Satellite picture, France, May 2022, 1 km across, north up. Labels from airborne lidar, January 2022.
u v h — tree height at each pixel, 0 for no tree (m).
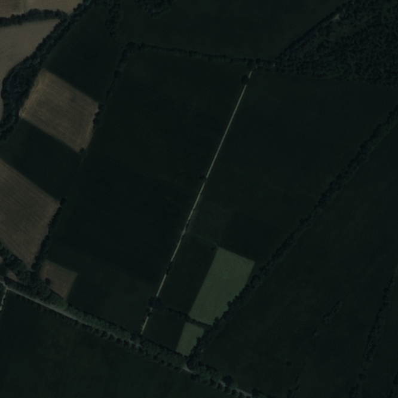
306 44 26
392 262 0
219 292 0
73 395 0
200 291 0
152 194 0
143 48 12
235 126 0
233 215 0
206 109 0
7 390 0
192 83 0
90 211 0
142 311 0
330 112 0
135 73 0
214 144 0
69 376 0
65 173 0
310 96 0
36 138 0
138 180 0
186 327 0
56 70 0
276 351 0
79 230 0
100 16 0
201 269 0
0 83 0
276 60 11
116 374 0
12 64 0
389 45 25
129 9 0
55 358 0
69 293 0
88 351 0
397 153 0
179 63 0
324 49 26
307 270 0
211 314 0
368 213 0
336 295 0
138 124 0
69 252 0
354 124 0
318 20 0
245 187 0
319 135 0
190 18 0
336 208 0
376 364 0
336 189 14
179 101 0
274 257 15
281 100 0
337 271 0
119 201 0
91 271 0
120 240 0
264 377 0
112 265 0
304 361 0
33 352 0
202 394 0
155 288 0
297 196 0
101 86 0
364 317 0
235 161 0
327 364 0
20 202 0
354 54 25
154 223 0
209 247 0
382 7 29
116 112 0
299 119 0
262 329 0
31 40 0
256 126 0
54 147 0
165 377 0
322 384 0
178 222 0
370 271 0
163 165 0
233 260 0
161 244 0
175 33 0
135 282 0
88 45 0
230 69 0
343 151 0
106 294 0
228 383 27
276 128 0
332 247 0
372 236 0
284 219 0
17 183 0
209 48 0
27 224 0
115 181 0
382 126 13
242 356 0
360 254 0
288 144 0
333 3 0
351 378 0
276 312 0
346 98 0
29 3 0
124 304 0
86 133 0
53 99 0
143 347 24
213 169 0
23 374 0
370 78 9
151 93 0
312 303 0
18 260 24
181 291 0
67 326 0
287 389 0
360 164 14
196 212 0
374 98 0
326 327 0
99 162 0
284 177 0
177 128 0
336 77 9
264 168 0
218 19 0
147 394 0
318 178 0
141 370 0
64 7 0
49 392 0
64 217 0
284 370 0
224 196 0
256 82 0
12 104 13
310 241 0
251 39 0
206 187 0
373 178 0
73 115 0
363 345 0
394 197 0
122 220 0
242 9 0
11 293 0
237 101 0
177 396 0
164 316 0
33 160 0
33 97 0
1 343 0
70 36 0
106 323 19
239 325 0
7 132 11
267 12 0
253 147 0
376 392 0
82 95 0
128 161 0
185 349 0
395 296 0
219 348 0
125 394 0
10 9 0
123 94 0
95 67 0
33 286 33
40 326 0
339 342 0
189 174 0
